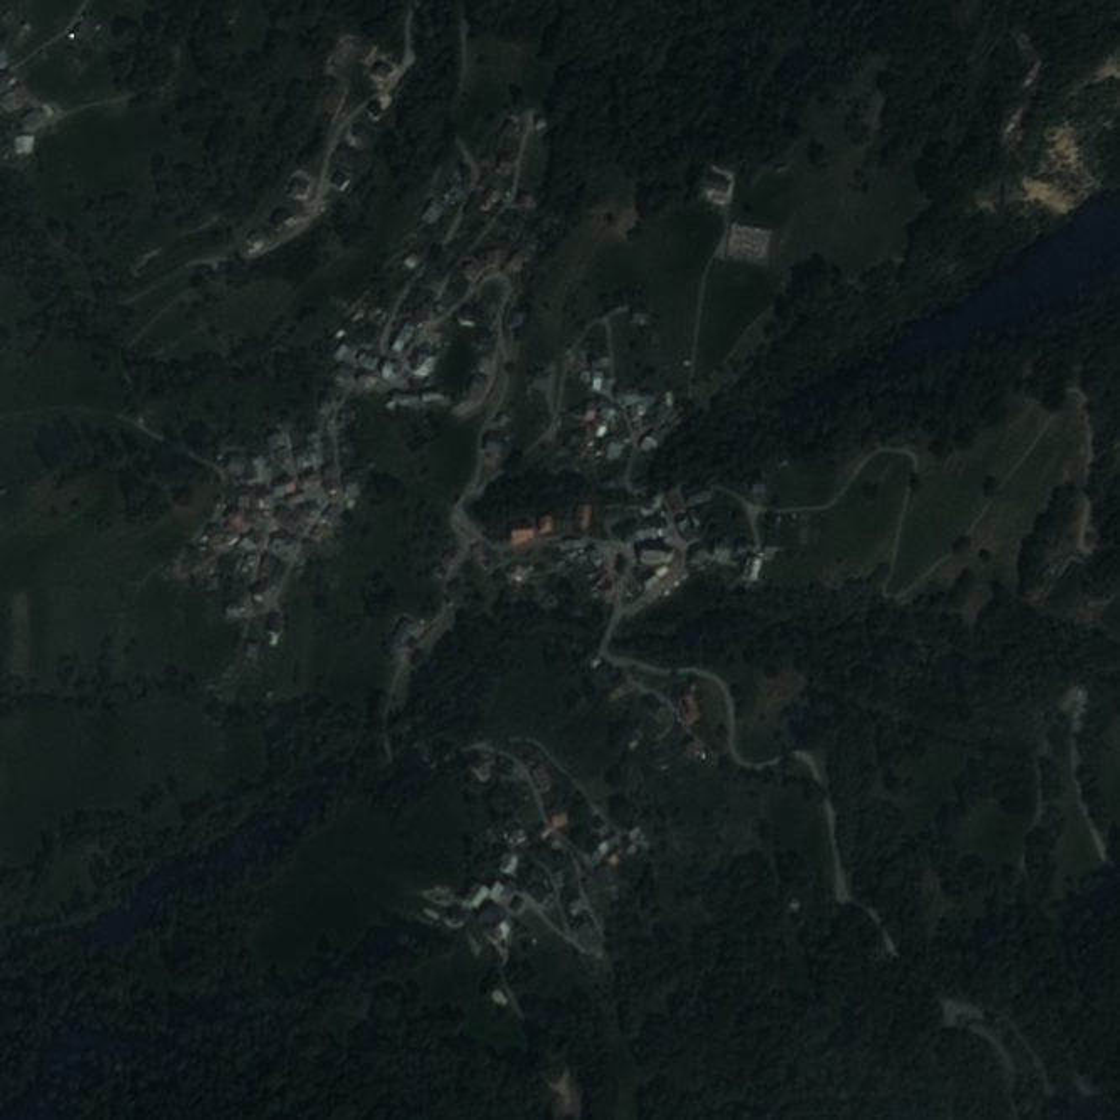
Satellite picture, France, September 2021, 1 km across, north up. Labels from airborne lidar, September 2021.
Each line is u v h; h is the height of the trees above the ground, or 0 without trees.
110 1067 25
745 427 25
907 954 19
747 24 22
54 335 20
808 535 0
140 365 16
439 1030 15
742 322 0
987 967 24
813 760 0
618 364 0
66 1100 27
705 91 27
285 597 0
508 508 22
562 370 0
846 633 20
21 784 0
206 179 10
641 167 23
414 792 15
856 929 13
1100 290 21
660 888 11
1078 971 20
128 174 0
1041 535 14
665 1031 18
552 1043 13
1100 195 11
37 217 7
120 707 18
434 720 26
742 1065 21
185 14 20
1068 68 11
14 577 0
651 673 0
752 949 18
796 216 0
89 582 0
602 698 12
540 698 0
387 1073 28
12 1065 23
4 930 11
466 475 0
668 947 20
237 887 35
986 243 11
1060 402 17
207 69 19
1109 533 19
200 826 20
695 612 6
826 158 13
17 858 0
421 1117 24
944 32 18
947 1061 15
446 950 16
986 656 37
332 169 0
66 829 12
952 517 0
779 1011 23
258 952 0
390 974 18
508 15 19
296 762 29
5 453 0
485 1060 19
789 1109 19
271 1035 23
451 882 0
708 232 0
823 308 12
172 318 0
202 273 7
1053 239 11
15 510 0
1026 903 19
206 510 0
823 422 27
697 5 27
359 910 0
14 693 11
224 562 9
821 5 21
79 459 22
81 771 0
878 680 21
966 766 0
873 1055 16
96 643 0
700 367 0
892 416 11
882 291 6
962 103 17
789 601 16
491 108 0
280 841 20
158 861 25
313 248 7
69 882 0
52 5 0
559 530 0
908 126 22
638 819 6
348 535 7
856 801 13
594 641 12
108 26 0
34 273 10
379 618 20
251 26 0
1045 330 24
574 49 25
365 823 0
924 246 16
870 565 0
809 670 22
